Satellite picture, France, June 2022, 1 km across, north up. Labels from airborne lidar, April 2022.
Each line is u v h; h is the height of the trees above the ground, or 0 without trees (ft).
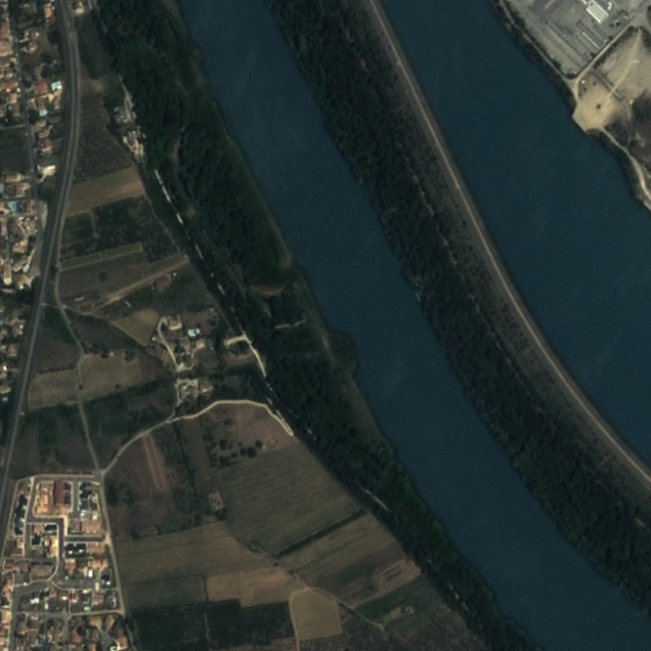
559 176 0
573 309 0
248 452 23
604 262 0
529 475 45
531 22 0
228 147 0
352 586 0
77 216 0
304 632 0
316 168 0
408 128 22
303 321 76
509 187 0
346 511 0
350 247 0
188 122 50
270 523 0
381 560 0
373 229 0
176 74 47
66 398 0
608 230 0
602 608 0
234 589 0
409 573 0
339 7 61
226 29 0
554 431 73
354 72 99
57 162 0
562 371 0
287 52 0
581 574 0
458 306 71
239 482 0
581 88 0
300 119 0
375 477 73
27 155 0
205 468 0
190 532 0
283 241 0
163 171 41
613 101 0
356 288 0
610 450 0
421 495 0
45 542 0
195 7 0
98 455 0
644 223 0
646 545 87
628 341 0
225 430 0
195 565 0
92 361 0
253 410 0
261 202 0
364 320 0
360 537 0
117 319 0
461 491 0
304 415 41
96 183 0
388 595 0
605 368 0
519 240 0
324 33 37
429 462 0
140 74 56
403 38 0
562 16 0
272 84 0
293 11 78
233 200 42
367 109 110
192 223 63
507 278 0
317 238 0
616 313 0
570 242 0
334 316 0
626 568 98
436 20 0
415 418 0
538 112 0
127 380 0
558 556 0
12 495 0
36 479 0
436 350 0
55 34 27
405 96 0
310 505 0
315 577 0
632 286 0
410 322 0
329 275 0
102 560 0
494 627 74
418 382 0
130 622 34
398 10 0
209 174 43
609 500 78
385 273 0
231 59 0
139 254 0
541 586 0
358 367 0
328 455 67
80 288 0
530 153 0
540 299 0
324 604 0
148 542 0
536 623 0
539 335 0
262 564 0
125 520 0
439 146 0
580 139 0
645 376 0
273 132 0
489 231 0
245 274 31
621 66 0
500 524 0
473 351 68
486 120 0
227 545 0
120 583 0
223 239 44
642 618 0
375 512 40
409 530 63
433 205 41
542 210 0
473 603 79
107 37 27
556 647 0
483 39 0
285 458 0
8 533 0
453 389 0
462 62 0
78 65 0
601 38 0
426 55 0
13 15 35
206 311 18
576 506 105
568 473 67
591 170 0
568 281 0
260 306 43
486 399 93
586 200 0
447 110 0
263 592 0
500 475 0
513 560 0
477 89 0
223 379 38
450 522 0
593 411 0
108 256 0
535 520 0
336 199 0
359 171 40
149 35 53
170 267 0
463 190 0
